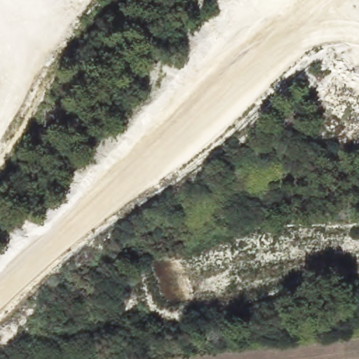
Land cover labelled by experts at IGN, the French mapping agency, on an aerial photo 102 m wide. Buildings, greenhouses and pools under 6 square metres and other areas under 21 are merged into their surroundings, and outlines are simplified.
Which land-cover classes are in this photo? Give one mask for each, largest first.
<instances>
[{"label":"pervious surface","instance_id":"1","mask_svg":"<svg viewBox=\"0 0 359 359\"><path fill-rule=\"evenodd\" d=\"M101 7L98 0H0V168L3 167L4 158L7 156L11 150H22L27 143H31L24 130L43 101L46 91L50 90L55 81L57 70V57L69 39L79 35L80 29L93 22L94 15L97 14L95 8ZM219 15L206 21L201 29L188 39L187 65L182 69H175L165 66L164 63H156L150 72V104L133 109V118L129 119L126 132L118 137L102 139L98 144L94 156L97 164L88 165L86 170L74 172L66 203H62L60 208L49 209L42 226L25 222L21 229L14 230L10 234L6 252L0 254V345L7 344L8 339L17 334L22 325L27 323L28 317L34 313V302L38 300V286L46 275L59 272L63 262L72 257L74 252L79 251L84 245L91 247L94 238L101 231L111 227L136 205H142L150 196L160 194L168 185L177 184L189 171L196 170V167L209 156L210 151L220 146L227 137L257 121L262 101L276 90L280 79H287L297 70L306 73L310 86L316 88L325 108L321 137H338L339 142L344 143L351 139H359V0H217Z\"/></svg>","mask_w":359,"mask_h":359},{"label":"brushwood","instance_id":"2","mask_svg":"<svg viewBox=\"0 0 359 359\"><path fill-rule=\"evenodd\" d=\"M86 72L79 70L76 76H73L70 70H57L55 81L50 90L46 91L43 101L24 130L31 143L36 146L41 144L42 135H46V130L52 128L55 123L69 126L73 119L77 118L76 114L63 108L62 90L67 94L74 86H87L84 77ZM325 108L316 88L310 86L306 73L297 70L287 79H280L276 90L262 101L257 121L227 137L220 146L210 151L209 156L196 167V170L189 171L177 184L168 185L160 194L150 196L142 205H136L111 227L101 231L94 238L91 247L84 245L79 251L74 252L72 257L63 262L59 272L46 275L38 286V300L34 302V313L28 317L27 323L22 325L17 334L8 339L7 344L0 345V359H174L191 358L194 355L215 356L226 351L243 352L245 349L258 351L299 346V338L280 327L275 302L257 304L251 311L250 321L237 324H231L215 309L184 313L181 314L174 320L151 311L143 293V286H147V273H150L157 261H163L164 257L181 259L199 257L202 252L236 251L245 245L244 241L236 244L237 237L272 233L273 240L279 241L280 236H290L287 231L289 223L303 224L309 229L313 223H332V219L344 209H355L352 215L356 222H359V139H351L344 143L339 142L338 137H321Z\"/></svg>","mask_w":359,"mask_h":359},{"label":"coniferous trees","instance_id":"3","mask_svg":"<svg viewBox=\"0 0 359 359\"><path fill-rule=\"evenodd\" d=\"M101 7L95 8L97 14L94 15L93 22L80 29L79 35L69 39L57 57V70H70L73 76H76L79 70L86 72L84 77L87 86H74L67 94L62 90L63 108L76 114L77 118L73 119L69 126L55 123L52 128L46 130V135H42L41 144L36 146L31 143H27L22 150H11L7 156L10 160H28V164H22L15 174L0 185V254L6 252L10 234L14 230L21 229L25 222L42 226L49 209L60 208L62 203H66L74 172L86 170L88 165L97 164L94 156L98 144L102 139L118 137L126 132L129 119L133 118V109L116 104L121 95L128 91L136 93L140 87L150 93V72L156 63H164L165 66L175 69H182L187 65L188 39L201 29L206 21L219 15L217 0H172V10L184 8L192 21L185 28L188 38L181 36L163 39L151 34L147 28V20H156L157 14L163 10L164 0H98ZM348 279L342 276L324 279L323 276H318L317 272L310 271L303 276L302 285L297 287L296 292H292V296L282 297L275 302L280 327L299 338V346L303 348L348 341L352 335L359 332V276L355 282L346 283Z\"/></svg>","mask_w":359,"mask_h":359},{"label":"herbaceous vegetation","instance_id":"4","mask_svg":"<svg viewBox=\"0 0 359 359\"><path fill-rule=\"evenodd\" d=\"M22 164H28V160H10L7 156L4 158L3 167L0 168V185L15 174ZM355 209H344L332 219V223H313L309 229L303 224L289 223L287 231L290 236H280L279 241L273 240L272 233L237 237L236 244L244 241L245 245L236 251L202 252L199 257L181 259L185 275L191 280L194 296L191 300L184 313L215 309L231 324H237L250 321L251 311L257 304L275 302L282 297L292 296V292H296L297 287L302 285L303 276L310 271L317 272L318 276H323L324 279L342 276L348 279L346 283L355 282L359 276V222H356L352 215Z\"/></svg>","mask_w":359,"mask_h":359},{"label":"agricultural land","instance_id":"5","mask_svg":"<svg viewBox=\"0 0 359 359\"><path fill-rule=\"evenodd\" d=\"M174 359H359V332L352 335L348 341L303 348L299 346L258 351L245 349L243 352L226 351L215 356L194 355L191 358Z\"/></svg>","mask_w":359,"mask_h":359},{"label":"deciduous trees","instance_id":"6","mask_svg":"<svg viewBox=\"0 0 359 359\"><path fill-rule=\"evenodd\" d=\"M172 0H164L163 10L157 14L156 20H147V28L151 34L163 39L181 36L188 38L185 28L192 21L184 8L172 10ZM150 93L140 87L136 93L128 91L121 95L116 104L133 109L150 104Z\"/></svg>","mask_w":359,"mask_h":359},{"label":"water","instance_id":"7","mask_svg":"<svg viewBox=\"0 0 359 359\"><path fill-rule=\"evenodd\" d=\"M147 286L153 302L158 307L181 314L184 313L191 300L184 299V294L178 286L177 272L172 269L170 262L163 261H157L150 273H147Z\"/></svg>","mask_w":359,"mask_h":359},{"label":"bare soil","instance_id":"8","mask_svg":"<svg viewBox=\"0 0 359 359\"><path fill-rule=\"evenodd\" d=\"M163 261L170 262L172 269L177 272L178 286L184 294V299L191 300L194 296L191 280L185 275L181 259L164 257ZM143 293L151 311L174 320L181 314L158 307L153 302L147 286H143Z\"/></svg>","mask_w":359,"mask_h":359}]
</instances>
